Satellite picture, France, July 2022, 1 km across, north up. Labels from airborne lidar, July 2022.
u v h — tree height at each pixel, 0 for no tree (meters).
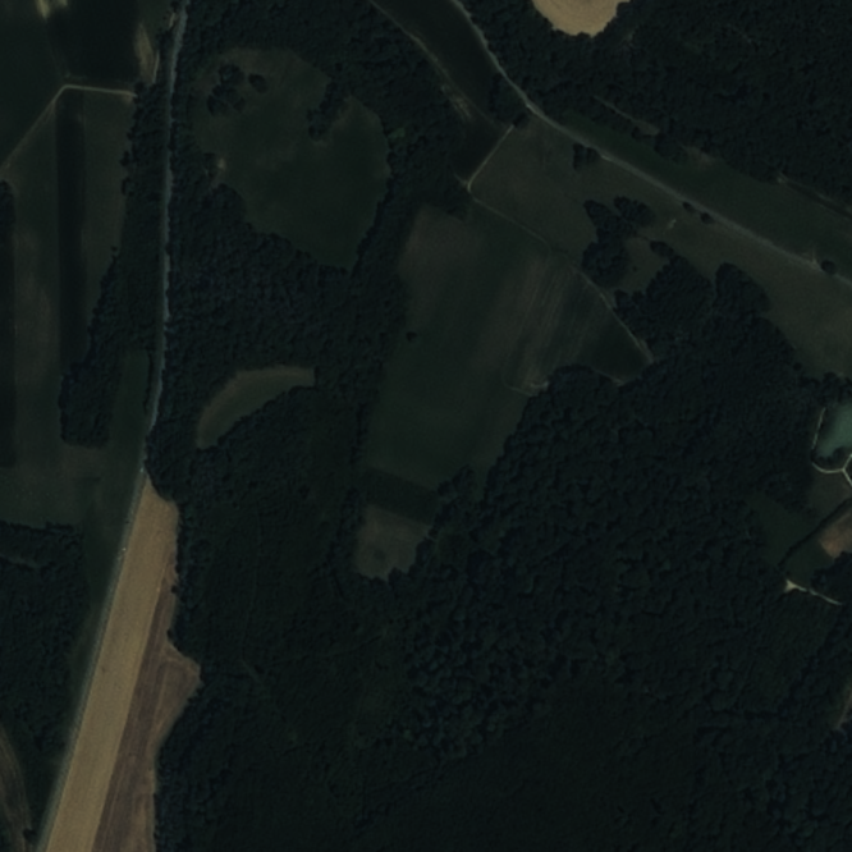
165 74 6
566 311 0
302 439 24
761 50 22
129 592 0
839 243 0
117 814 0
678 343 28
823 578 21
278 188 0
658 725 24
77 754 0
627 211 21
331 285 29
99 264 0
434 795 21
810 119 13
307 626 9
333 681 6
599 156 12
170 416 14
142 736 0
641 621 37
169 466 19
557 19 0
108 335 19
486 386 0
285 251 23
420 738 32
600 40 15
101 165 0
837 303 0
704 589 32
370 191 0
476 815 13
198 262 16
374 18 28
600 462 24
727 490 23
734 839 15
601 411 27
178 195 16
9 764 0
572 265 0
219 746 27
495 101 19
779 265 0
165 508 0
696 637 28
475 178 0
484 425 0
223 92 19
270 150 0
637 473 26
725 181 0
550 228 0
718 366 25
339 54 22
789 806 39
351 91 18
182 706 0
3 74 0
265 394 0
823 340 0
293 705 8
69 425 20
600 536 30
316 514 12
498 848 17
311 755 15
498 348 0
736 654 31
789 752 30
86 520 0
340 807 8
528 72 28
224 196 18
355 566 22
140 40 0
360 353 27
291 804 12
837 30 20
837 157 30
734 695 20
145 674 0
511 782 17
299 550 9
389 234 22
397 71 26
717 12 18
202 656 19
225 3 23
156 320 9
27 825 0
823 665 26
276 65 0
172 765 11
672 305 26
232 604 7
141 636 0
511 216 0
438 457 0
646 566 25
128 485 0
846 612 20
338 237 0
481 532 32
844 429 0
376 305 26
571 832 12
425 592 29
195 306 9
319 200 0
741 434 28
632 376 0
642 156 0
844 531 0
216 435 0
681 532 23
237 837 15
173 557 0
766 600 27
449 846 13
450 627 9
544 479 26
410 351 0
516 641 33
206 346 23
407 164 20
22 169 0
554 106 26
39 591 21
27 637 27
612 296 0
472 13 19
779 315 0
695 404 10
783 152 30
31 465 0
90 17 0
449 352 0
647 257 0
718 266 0
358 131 0
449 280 0
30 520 0
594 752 13
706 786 25
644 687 30
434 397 0
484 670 30
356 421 9
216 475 19
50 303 0
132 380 0
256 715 24
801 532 0
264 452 21
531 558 29
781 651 12
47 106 0
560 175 0
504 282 0
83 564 22
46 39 0
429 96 27
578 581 20
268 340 21
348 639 7
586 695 23
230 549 8
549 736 24
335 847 16
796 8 24
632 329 17
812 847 37
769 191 0
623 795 17
